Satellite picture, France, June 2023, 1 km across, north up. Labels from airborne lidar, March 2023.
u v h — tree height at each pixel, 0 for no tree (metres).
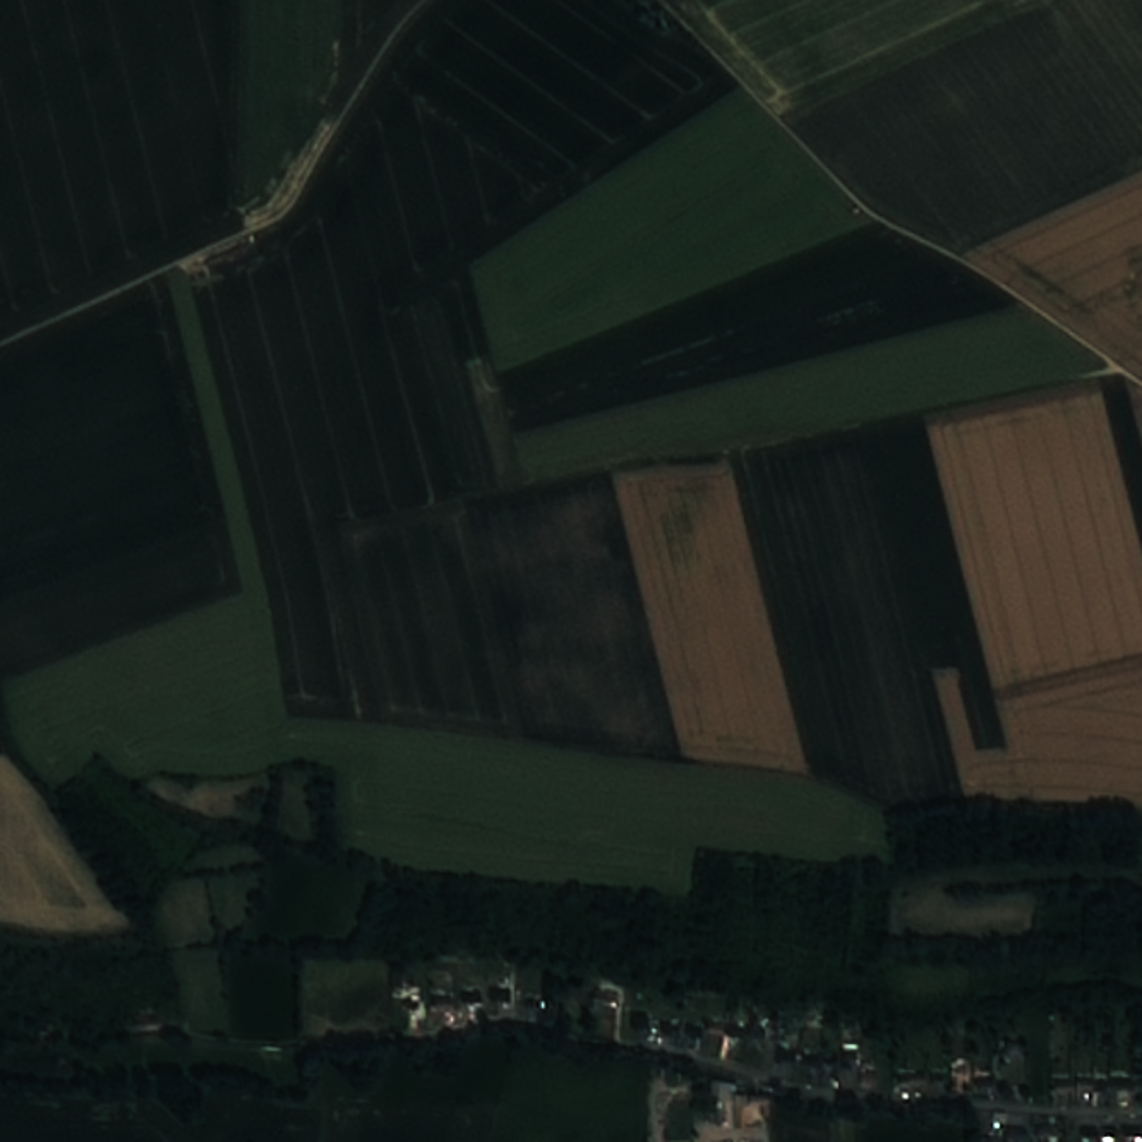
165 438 0
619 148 0
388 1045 14
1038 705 0
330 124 0
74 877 0
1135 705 0
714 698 0
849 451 0
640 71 0
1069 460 0
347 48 0
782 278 0
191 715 0
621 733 0
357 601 0
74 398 0
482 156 0
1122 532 0
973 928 0
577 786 0
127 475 0
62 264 0
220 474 0
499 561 0
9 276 0
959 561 0
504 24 0
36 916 0
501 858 0
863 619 0
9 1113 0
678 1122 0
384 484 0
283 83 0
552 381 0
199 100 0
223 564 0
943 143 0
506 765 0
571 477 0
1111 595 0
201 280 0
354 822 0
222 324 0
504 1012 0
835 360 0
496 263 0
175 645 0
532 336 0
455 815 0
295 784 0
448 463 0
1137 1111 0
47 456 0
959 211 0
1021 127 0
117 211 0
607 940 10
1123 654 0
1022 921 0
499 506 0
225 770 0
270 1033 0
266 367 0
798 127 0
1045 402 0
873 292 0
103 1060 0
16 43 0
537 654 0
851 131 0
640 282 0
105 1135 0
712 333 0
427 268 0
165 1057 0
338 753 0
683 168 0
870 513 0
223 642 0
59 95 0
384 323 0
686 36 7
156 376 0
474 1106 0
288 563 0
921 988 0
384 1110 0
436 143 0
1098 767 0
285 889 0
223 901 0
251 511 0
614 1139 0
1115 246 0
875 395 0
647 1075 0
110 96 0
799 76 0
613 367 0
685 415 0
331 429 0
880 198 0
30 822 0
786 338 0
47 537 0
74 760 0
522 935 6
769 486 0
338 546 0
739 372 0
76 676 0
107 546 0
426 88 0
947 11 0
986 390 0
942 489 0
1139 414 0
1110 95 0
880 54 0
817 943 8
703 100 0
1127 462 0
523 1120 0
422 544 0
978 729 0
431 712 0
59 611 0
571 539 0
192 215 0
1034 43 0
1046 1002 10
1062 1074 0
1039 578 0
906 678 0
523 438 0
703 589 0
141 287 0
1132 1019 10
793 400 0
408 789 0
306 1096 9
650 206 0
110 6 0
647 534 0
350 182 0
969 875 0
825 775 0
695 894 7
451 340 0
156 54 0
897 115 0
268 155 0
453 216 0
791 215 0
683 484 0
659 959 7
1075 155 0
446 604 0
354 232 0
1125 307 0
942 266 0
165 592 0
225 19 0
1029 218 0
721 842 0
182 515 0
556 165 0
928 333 0
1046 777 0
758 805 0
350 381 0
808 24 0
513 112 0
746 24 0
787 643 0
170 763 0
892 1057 10
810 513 0
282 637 0
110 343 0
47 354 0
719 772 0
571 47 0
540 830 0
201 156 0
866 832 0
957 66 0
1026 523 0
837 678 0
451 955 0
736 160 0
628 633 0
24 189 0
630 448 0
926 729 0
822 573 0
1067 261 0
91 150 0
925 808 14
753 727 0
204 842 7
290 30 0
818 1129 0
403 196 0
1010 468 0
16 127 0
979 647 0
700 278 0
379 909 10
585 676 0
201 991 0
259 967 0
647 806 0
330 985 0
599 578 0
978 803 13
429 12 0
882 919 7
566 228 0
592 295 0
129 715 0
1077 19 0
